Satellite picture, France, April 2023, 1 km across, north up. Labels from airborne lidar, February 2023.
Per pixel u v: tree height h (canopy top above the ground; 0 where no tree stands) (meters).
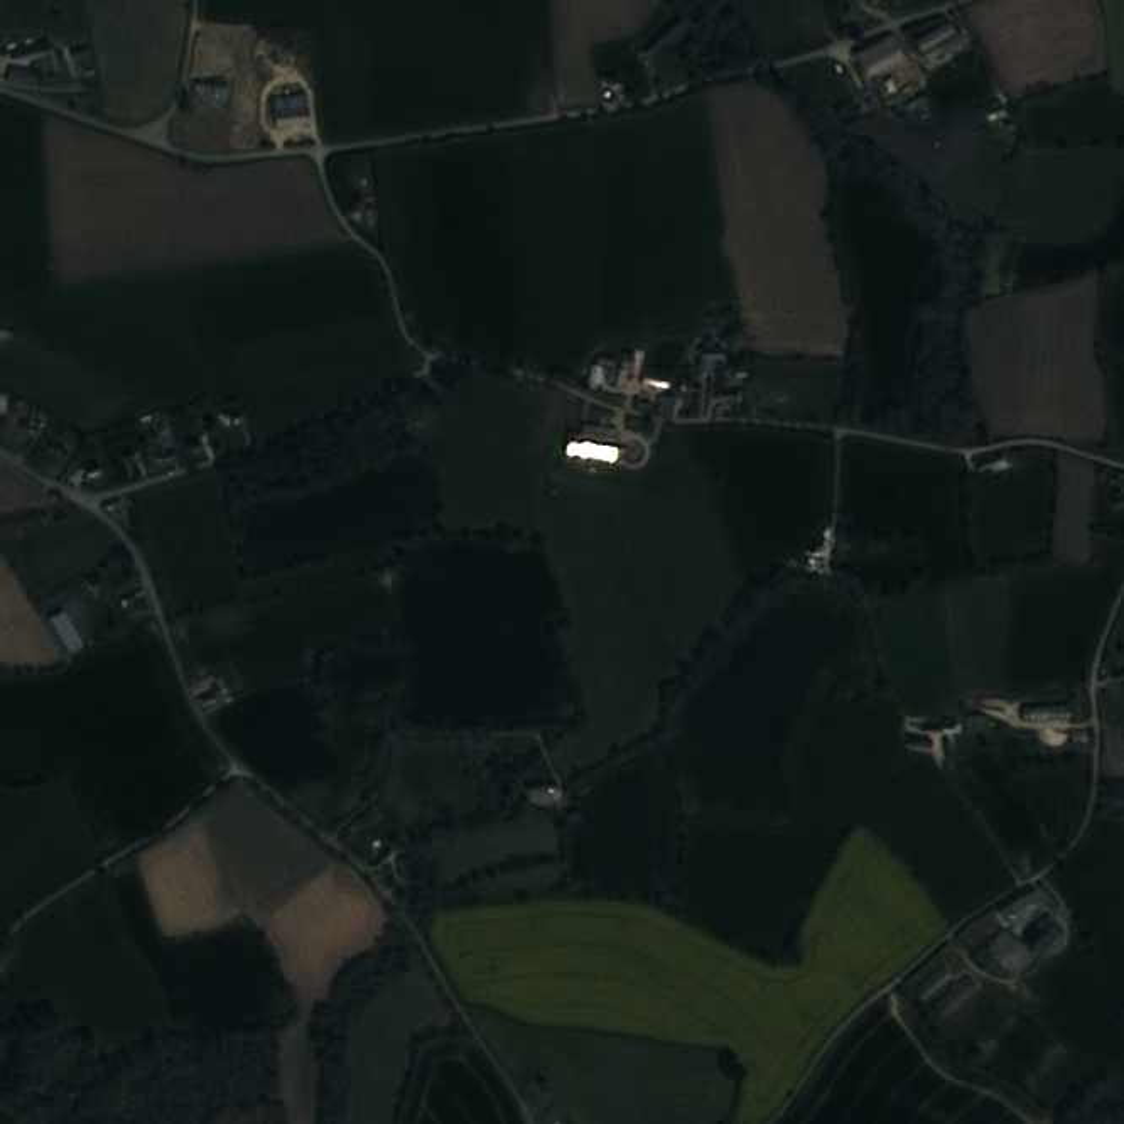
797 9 0
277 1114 18
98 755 0
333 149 0
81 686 0
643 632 0
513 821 8
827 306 0
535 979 0
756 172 0
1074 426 0
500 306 0
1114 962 0
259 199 0
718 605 0
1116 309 0
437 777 0
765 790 0
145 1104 12
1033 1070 0
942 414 12
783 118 0
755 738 0
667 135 0
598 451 0
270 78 0
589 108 0
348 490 0
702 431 0
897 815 0
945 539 0
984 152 0
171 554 0
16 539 0
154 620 0
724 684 0
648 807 0
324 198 0
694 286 0
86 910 0
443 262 0
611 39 0
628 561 0
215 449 7
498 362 0
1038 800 0
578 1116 0
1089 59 0
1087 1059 0
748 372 10
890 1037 0
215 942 0
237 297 0
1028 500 0
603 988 0
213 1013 0
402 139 0
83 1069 8
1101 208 0
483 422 0
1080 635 0
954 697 0
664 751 0
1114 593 0
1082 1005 0
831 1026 0
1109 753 0
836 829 0
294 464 18
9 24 0
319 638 0
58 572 0
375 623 0
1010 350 0
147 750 0
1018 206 0
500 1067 0
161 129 0
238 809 0
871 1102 0
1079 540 0
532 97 0
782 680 0
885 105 0
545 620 0
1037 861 0
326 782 0
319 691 14
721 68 15
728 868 0
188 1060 14
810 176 0
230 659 0
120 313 0
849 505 0
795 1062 0
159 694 0
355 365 0
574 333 0
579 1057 0
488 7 0
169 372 0
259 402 0
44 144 0
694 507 0
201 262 0
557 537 0
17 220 0
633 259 0
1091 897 0
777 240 0
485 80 0
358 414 17
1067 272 0
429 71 0
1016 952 0
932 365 18
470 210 0
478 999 0
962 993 0
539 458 0
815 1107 0
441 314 0
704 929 0
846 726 0
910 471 0
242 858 0
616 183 0
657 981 0
